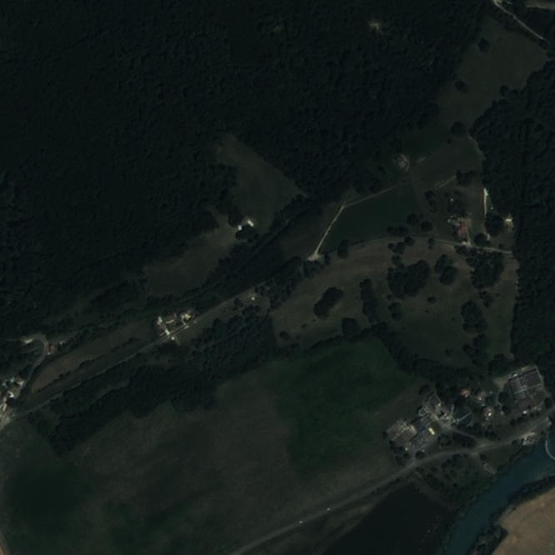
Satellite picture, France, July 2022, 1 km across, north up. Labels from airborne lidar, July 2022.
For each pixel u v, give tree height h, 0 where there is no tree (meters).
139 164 20
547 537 0
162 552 0
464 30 14
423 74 18
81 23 9
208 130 25
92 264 14
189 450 0
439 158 0
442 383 19
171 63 25
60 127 16
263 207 0
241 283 16
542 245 13
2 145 14
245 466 0
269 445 0
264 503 0
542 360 33
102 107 20
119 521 0
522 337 20
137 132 17
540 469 0
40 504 0
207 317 0
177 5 17
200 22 25
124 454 0
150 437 0
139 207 20
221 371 8
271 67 24
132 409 12
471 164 0
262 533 0
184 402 13
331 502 0
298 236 0
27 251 27
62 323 9
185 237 25
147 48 24
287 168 14
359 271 0
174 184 22
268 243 14
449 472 9
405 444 0
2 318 16
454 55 12
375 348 0
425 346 0
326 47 21
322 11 23
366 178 22
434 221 0
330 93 10
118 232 17
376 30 7
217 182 24
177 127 20
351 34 20
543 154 29
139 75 23
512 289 0
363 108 22
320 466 0
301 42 26
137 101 24
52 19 9
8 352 12
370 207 0
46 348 0
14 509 0
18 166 15
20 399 7
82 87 15
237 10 14
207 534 0
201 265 0
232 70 19
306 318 0
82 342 14
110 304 17
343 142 9
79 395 15
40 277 25
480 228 0
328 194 21
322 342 12
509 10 9
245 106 26
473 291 0
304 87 7
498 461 0
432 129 0
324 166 16
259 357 12
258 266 13
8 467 0
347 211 0
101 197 17
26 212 30
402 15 21
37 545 0
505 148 27
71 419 13
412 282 23
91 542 0
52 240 16
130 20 18
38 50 7
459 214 7
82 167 16
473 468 7
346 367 0
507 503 0
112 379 11
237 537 0
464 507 6
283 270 15
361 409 0
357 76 9
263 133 15
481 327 21
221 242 0
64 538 0
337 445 0
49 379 0
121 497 0
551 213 23
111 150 14
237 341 13
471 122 0
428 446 0
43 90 16
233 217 10
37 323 14
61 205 18
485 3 17
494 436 18
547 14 14
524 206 11
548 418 0
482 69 0
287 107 27
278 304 17
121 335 0
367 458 0
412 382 0
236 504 0
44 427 11
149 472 0
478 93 0
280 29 25
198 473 0
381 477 0
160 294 0
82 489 0
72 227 19
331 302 21
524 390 0
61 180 17
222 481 0
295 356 17
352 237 0
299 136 18
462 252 8
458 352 0
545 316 16
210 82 22
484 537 15
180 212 13
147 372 11
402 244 10
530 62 0
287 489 0
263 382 0
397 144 21
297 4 20
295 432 0
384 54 17
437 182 0
